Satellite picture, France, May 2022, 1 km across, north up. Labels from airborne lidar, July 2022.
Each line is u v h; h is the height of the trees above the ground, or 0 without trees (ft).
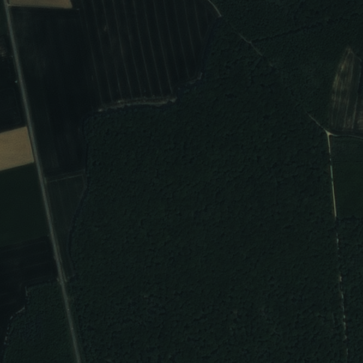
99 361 84
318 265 77
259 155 94
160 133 83
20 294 0
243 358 93
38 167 0
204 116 92
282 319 93
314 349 107
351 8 87
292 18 66
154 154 93
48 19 0
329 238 86
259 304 88
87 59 0
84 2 0
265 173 95
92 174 81
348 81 0
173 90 0
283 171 88
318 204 82
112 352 91
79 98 0
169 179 94
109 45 0
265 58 57
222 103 102
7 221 0
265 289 78
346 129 0
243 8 66
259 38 68
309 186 97
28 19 0
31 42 0
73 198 0
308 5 116
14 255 0
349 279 72
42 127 0
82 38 0
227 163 93
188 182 66
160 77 0
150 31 0
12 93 0
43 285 47
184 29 0
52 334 67
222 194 87
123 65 0
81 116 0
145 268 81
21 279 0
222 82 96
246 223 85
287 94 80
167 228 93
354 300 62
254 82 99
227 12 68
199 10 0
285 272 80
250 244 86
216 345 83
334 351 82
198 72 0
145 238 91
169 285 92
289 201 94
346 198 21
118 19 0
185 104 83
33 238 0
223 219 83
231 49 62
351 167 23
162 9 0
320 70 70
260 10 69
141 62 0
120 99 0
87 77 0
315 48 68
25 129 0
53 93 0
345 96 0
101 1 0
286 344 86
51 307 56
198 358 96
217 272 90
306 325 86
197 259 92
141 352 96
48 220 0
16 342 63
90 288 81
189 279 103
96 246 90
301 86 70
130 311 76
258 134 97
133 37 0
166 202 91
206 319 87
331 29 74
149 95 0
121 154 87
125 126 88
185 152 108
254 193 102
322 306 78
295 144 80
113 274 92
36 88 0
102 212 80
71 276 0
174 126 96
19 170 0
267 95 97
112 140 97
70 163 0
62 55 0
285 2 66
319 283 92
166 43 0
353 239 82
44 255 0
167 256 88
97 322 95
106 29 0
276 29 57
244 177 70
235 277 87
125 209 87
